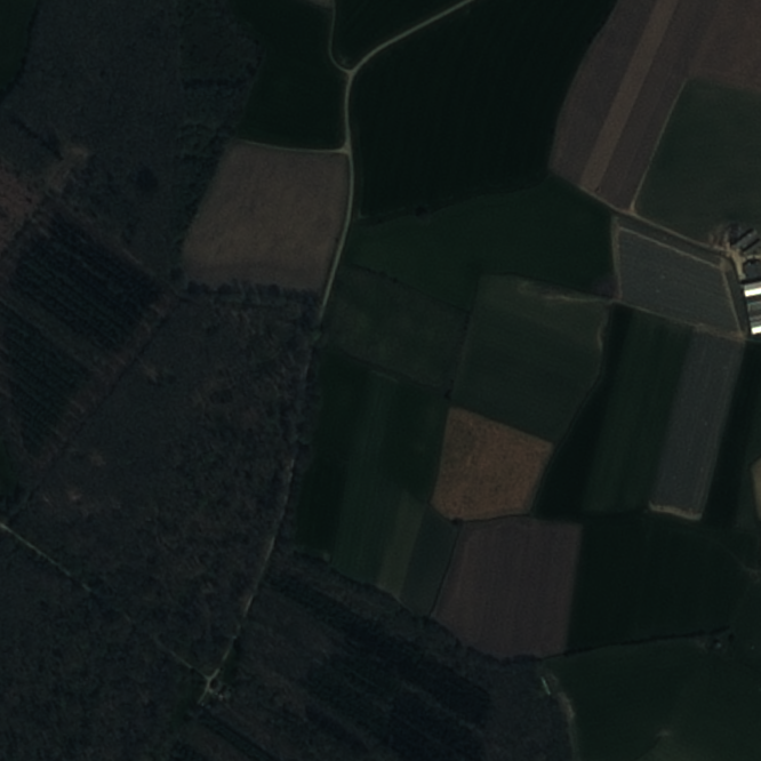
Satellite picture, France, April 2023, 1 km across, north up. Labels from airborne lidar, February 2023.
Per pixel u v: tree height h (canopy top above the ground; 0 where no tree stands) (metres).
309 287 0
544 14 0
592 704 0
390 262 0
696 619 0
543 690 11
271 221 0
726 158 0
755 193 0
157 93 14
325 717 12
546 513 0
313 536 0
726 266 0
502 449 0
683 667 0
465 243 0
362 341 0
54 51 15
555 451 0
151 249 15
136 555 19
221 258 0
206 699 0
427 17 0
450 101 0
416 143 0
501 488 0
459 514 0
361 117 0
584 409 0
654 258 0
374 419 0
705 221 0
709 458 0
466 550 0
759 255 0
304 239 0
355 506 0
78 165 0
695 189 0
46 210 10
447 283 0
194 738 9
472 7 0
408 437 0
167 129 14
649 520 0
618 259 0
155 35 15
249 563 19
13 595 14
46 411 14
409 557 0
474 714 6
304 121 0
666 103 0
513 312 0
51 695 17
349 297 0
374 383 0
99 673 21
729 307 0
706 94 0
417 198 0
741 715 0
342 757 12
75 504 15
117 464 13
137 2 14
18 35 0
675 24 0
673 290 0
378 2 0
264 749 8
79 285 12
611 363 0
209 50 0
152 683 24
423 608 0
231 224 0
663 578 0
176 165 13
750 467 0
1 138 14
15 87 11
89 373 15
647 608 0
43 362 14
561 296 0
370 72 0
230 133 13
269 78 0
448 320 0
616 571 0
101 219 8
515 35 0
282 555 14
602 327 0
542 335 0
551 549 0
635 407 0
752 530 0
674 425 0
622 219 0
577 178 0
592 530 0
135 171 13
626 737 0
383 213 0
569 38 0
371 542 0
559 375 0
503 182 0
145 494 16
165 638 22
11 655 18
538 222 0
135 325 9
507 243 0
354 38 0
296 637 10
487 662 13
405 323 0
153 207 14
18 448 11
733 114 0
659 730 0
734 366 0
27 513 16
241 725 7
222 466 17
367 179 0
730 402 0
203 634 20
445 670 9
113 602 19
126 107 16
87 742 17
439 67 0
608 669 0
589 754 0
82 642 19
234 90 11
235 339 15
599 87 0
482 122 0
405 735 7
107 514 14
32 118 14
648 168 0
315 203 0
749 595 0
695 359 0
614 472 0
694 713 0
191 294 16
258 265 0
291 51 0
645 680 0
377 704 9
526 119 0
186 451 18
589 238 0
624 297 0
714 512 0
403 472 0
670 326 0
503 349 0
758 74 0
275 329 21
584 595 0
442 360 0
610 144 0
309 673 10
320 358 17
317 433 0
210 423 18
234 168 0
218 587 20
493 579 0
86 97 13
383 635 13
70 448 11
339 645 11
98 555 18
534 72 0
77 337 13
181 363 14
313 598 11
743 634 0
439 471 0
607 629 0
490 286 0
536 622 0
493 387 0
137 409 15
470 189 0
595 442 0
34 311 13
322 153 0
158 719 22
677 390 0
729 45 0
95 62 14
